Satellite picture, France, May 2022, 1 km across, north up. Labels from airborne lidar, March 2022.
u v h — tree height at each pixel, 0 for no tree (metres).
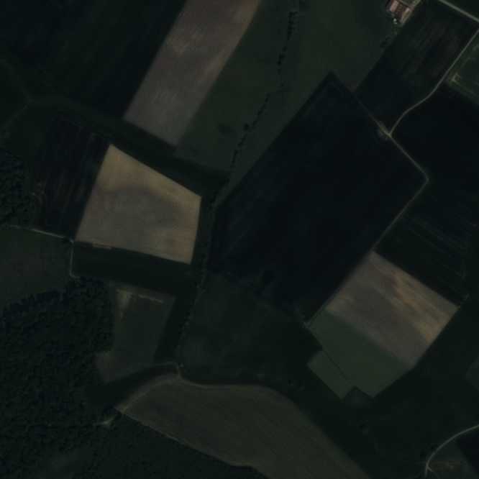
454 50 0
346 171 0
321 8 0
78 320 30
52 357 25
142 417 0
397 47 0
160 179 0
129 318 0
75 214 0
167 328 0
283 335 0
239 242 0
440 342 0
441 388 0
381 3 0
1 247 0
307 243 0
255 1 0
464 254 0
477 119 0
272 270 0
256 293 0
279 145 0
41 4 0
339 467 0
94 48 0
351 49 0
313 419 0
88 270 0
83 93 0
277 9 0
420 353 0
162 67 0
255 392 0
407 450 0
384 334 0
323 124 0
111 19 0
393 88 0
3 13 0
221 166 0
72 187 0
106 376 0
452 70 0
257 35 0
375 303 0
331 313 0
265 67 0
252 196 0
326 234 0
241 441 0
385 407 0
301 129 0
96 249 0
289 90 0
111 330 17
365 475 0
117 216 0
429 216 0
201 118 0
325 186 0
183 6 0
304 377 0
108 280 0
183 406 0
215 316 0
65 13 0
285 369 0
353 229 0
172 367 0
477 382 0
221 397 0
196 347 0
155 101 0
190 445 0
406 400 0
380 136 0
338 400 0
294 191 0
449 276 0
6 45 0
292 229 0
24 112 0
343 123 0
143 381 0
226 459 0
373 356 0
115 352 0
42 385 24
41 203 0
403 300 0
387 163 0
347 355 0
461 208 0
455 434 0
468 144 0
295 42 0
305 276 0
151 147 0
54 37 0
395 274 0
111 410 15
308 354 0
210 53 0
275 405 0
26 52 0
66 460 0
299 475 0
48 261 0
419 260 0
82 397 0
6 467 24
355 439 0
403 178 0
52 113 0
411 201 0
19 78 0
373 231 0
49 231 0
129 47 0
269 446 0
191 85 0
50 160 0
